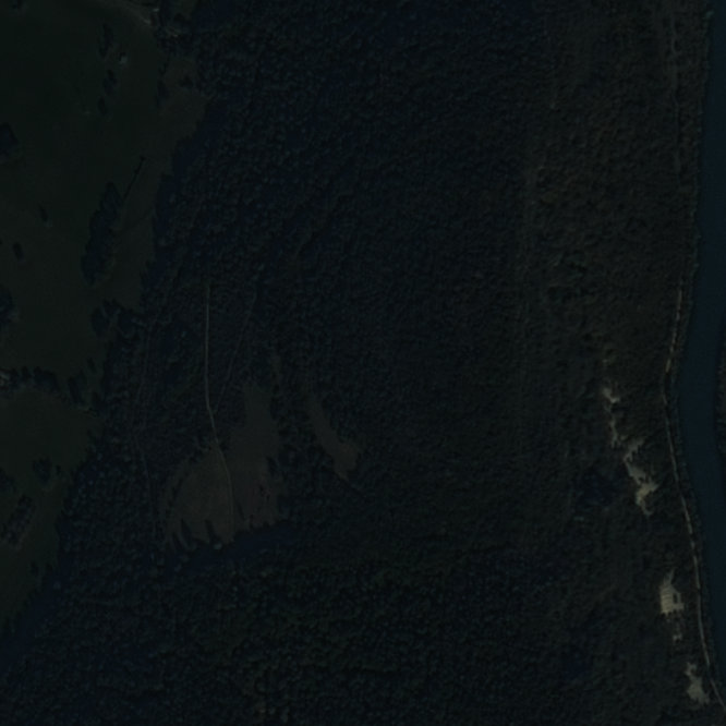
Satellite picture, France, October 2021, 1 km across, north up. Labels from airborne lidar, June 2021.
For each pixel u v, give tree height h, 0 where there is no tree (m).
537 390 8
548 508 10
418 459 10
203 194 12
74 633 15
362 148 13
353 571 12
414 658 14
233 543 0
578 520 19
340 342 15
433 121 17
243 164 14
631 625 8
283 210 12
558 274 20
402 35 17
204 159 10
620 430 8
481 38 20
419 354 11
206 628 23
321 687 19
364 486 10
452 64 17
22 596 0
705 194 0
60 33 0
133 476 16
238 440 0
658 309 11
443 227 12
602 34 8
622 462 8
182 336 14
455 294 13
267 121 12
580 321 24
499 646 12
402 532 16
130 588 12
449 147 11
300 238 16
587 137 17
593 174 15
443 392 12
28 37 0
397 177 11
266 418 0
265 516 0
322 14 23
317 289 12
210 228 8
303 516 17
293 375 12
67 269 0
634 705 14
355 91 14
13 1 0
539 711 10
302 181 9
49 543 0
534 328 8
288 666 19
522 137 8
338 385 7
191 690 10
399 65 24
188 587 18
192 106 0
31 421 0
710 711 6
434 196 15
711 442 0
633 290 15
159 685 22
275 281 13
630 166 19
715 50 0
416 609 17
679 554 9
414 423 6
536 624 7
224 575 18
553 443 8
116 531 18
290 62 9
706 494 0
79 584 22
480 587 8
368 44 18
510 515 16
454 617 11
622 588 7
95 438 0
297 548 21
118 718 12
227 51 12
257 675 21
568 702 9
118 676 16
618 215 15
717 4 0
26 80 0
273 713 20
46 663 23
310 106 8
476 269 11
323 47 16
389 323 12
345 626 7
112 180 0
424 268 15
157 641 13
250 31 15
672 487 14
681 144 13
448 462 8
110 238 23
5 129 0
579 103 21
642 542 12
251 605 23
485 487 12
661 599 7
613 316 19
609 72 21
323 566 15
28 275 0
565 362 11
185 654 15
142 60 0
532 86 10
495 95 12
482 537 14
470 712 17
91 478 9
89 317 0
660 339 12
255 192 11
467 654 6
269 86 9
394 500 12
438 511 12
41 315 0
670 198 17
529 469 12
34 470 0
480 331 10
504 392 7
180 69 0
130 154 0
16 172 0
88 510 19
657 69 12
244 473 0
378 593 6
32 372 0
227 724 13
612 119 13
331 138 7
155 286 14
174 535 0
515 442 8
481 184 17
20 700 21
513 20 7
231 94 9
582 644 27
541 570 11
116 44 14
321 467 11
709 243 0
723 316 0
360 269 11
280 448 0
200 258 8
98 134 0
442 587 10
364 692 14
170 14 17
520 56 13
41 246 0
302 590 18
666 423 10
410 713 14
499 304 8
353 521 17
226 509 0
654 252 17
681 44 8
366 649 14
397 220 13
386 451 13
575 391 7
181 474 0
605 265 21
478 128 15
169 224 16
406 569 17
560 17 13
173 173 0
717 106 0
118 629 10
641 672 8
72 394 0
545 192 21
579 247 19
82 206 0
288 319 12
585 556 19
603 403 11
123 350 13
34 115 0
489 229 11
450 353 9
